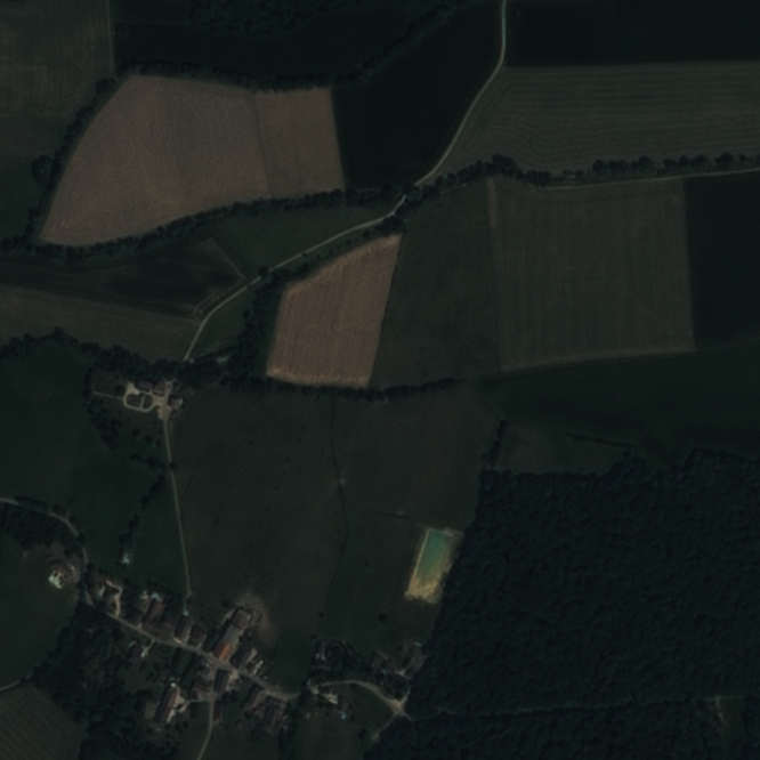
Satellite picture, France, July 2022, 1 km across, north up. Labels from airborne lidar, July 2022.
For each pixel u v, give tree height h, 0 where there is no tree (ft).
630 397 0
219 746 0
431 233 0
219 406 0
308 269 34
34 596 0
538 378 0
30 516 38
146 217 0
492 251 0
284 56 0
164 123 0
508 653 84
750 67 0
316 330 0
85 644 22
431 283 0
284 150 0
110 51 0
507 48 0
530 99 0
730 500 69
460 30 0
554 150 0
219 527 0
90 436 0
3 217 0
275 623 0
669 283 0
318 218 0
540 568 72
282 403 0
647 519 81
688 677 75
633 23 0
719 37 0
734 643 62
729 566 75
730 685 75
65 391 0
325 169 0
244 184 0
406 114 0
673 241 0
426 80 0
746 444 0
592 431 0
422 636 0
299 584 0
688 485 80
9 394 0
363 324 0
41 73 0
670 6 0
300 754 0
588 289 0
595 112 0
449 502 0
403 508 0
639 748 67
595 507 80
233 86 0
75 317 0
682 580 67
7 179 0
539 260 0
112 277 0
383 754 83
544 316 0
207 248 0
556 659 82
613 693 86
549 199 0
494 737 87
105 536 0
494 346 0
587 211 0
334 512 0
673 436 0
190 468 0
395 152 0
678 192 0
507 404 0
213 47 0
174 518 0
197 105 0
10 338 0
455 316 0
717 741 53
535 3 0
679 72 0
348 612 0
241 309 0
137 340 0
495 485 66
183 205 0
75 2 0
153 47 0
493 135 0
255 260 0
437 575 0
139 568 0
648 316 0
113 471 0
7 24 0
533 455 0
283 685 0
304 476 0
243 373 39
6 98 0
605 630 79
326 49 0
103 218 0
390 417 0
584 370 0
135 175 0
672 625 80
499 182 0
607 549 72
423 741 71
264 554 0
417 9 0
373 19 0
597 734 46
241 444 0
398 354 0
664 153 0
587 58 0
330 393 23
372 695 0
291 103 0
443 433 0
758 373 0
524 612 93
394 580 0
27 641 0
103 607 39
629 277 0
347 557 0
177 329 0
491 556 74
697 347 0
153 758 46
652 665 77
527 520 76
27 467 0
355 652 80
